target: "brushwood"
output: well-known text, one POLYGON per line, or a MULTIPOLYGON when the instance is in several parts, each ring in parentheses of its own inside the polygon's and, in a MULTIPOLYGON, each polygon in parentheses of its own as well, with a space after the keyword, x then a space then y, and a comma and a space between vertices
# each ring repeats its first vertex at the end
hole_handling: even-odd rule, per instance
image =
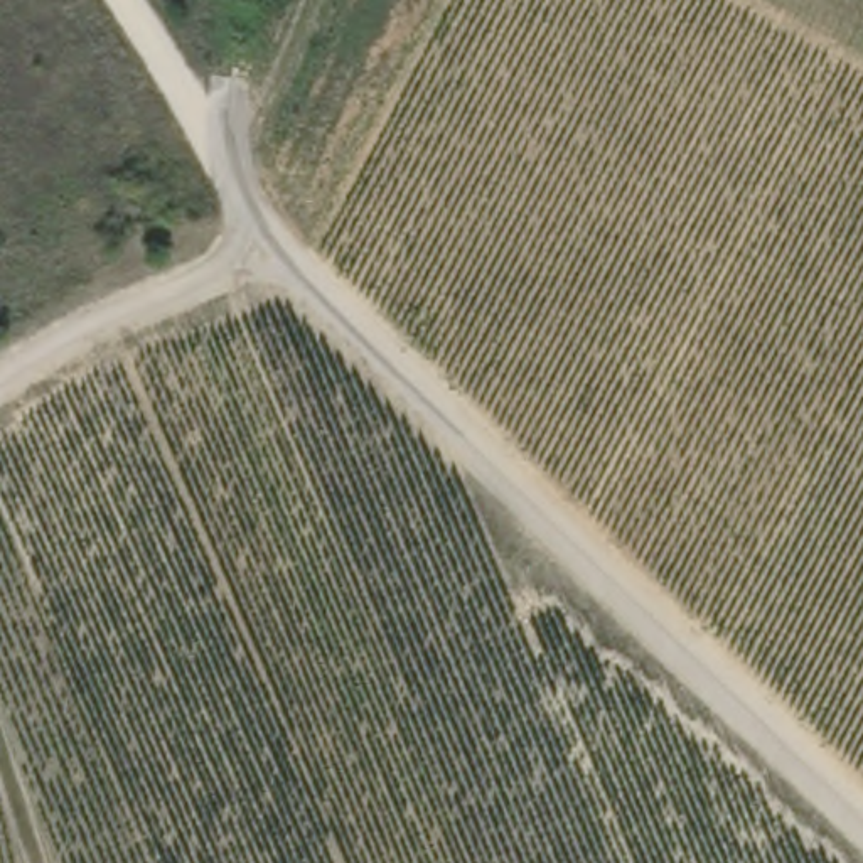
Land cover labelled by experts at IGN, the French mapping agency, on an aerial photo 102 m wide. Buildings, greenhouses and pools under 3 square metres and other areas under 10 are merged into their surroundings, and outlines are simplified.
POLYGON ((283 13, 290 0, 233 0, 216 34, 216 40, 226 51, 226 64, 233 67, 236 67, 256 54, 263 27, 273 27, 273 20, 283 13))

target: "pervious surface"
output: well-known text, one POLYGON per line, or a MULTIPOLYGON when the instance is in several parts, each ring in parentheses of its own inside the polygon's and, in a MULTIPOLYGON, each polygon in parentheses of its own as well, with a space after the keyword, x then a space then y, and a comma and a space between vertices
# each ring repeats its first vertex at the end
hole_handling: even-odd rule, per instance
POLYGON ((411 347, 411 340, 317 249, 307 249, 300 243, 300 236, 283 222, 283 216, 270 206, 266 192, 260 189, 260 165, 249 145, 249 125, 256 111, 249 108, 249 81, 239 78, 236 67, 233 67, 226 78, 212 78, 212 88, 202 88, 202 81, 179 54, 175 40, 169 37, 162 17, 148 0, 115 0, 115 20, 142 54, 172 115, 179 118, 196 158, 202 162, 206 175, 219 192, 222 226, 202 256, 165 266, 148 280, 115 290, 101 300, 81 303, 67 317, 57 317, 47 327, 0 347, 0 405, 20 394, 24 388, 51 378, 51 371, 67 364, 71 357, 91 351, 94 340, 121 337, 125 330, 138 330, 165 317, 185 314, 233 287, 276 287, 280 300, 290 300, 297 317, 303 317, 314 327, 314 334, 324 334, 327 344, 347 361, 347 367, 371 381, 378 394, 391 401, 394 411, 405 415, 411 428, 428 438, 432 448, 442 452, 445 465, 458 469, 462 482, 475 479, 489 496, 496 496, 516 516, 519 529, 529 536, 536 549, 546 549, 576 580, 576 587, 587 590, 620 624, 620 630, 637 637, 664 667, 671 667, 718 718, 732 725, 732 732, 755 745, 762 758, 863 853, 863 772, 843 752, 826 745, 806 718, 799 718, 789 698, 779 694, 752 664, 745 664, 728 647, 728 641, 715 637, 708 620, 691 617, 684 603, 654 573, 644 570, 644 563, 637 563, 624 546, 617 546, 614 533, 590 516, 583 502, 570 499, 570 492, 560 489, 543 465, 536 465, 512 442, 512 435, 502 425, 496 425, 496 418, 485 408, 479 408, 465 391, 448 388, 445 371, 432 364, 418 347, 411 347))

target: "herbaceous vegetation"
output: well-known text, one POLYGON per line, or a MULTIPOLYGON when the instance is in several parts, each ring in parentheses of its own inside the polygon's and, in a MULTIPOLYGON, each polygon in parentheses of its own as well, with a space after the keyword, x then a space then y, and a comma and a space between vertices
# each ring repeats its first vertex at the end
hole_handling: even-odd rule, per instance
POLYGON ((172 115, 142 54, 115 20, 115 0, 0 0, 0 347, 47 327, 57 317, 67 317, 81 303, 101 300, 115 290, 148 280, 165 266, 202 256, 222 226, 219 192, 206 175, 202 162, 196 158, 179 118, 172 115))
POLYGON ((236 67, 239 78, 249 81, 249 108, 256 111, 249 125, 249 145, 260 165, 260 189, 266 192, 270 206, 283 216, 283 222, 300 236, 300 243, 307 249, 317 249, 324 233, 340 216, 347 192, 354 189, 381 131, 388 128, 391 111, 415 64, 425 54, 425 44, 432 40, 442 20, 442 7, 435 0, 290 0, 283 13, 273 20, 273 27, 263 27, 256 54, 236 67))
POLYGON ((863 54, 863 0, 785 0, 806 24, 823 27, 843 47, 863 54))
POLYGON ((175 40, 179 54, 202 81, 202 88, 212 88, 212 78, 226 78, 233 67, 226 64, 226 51, 216 40, 216 34, 233 0, 148 0, 162 17, 169 37, 175 40))

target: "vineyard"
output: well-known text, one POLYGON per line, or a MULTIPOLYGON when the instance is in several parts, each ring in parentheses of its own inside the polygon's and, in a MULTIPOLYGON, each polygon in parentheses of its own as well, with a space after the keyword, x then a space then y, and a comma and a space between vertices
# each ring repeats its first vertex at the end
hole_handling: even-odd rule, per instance
POLYGON ((121 337, 94 340, 91 351, 71 357, 67 364, 51 371, 51 378, 24 388, 20 394, 0 405, 0 863, 863 863, 863 853, 762 758, 755 745, 732 732, 732 725, 718 718, 671 667, 664 667, 637 637, 620 630, 620 624, 587 590, 576 587, 576 580, 546 549, 536 549, 529 536, 519 529, 516 516, 496 496, 489 496, 475 479, 462 482, 458 469, 445 465, 442 452, 432 448, 428 438, 411 428, 405 415, 394 411, 391 401, 378 394, 371 381, 347 367, 347 361, 327 344, 324 334, 314 334, 314 327, 303 317, 297 317, 290 300, 280 300, 276 287, 233 287, 185 314, 165 317, 138 330, 125 330, 121 337))
POLYGON ((863 54, 843 47, 823 27, 806 24, 785 0, 435 0, 442 7, 442 20, 432 40, 425 44, 425 54, 415 64, 391 111, 388 128, 381 131, 354 189, 347 192, 340 216, 324 233, 317 249, 411 340, 411 347, 418 347, 432 364, 445 371, 448 388, 465 391, 479 408, 485 408, 496 418, 496 425, 502 425, 512 435, 512 442, 536 465, 543 465, 560 489, 570 492, 570 499, 583 502, 590 516, 614 533, 617 546, 624 546, 637 563, 644 563, 644 570, 654 573, 684 603, 691 617, 708 620, 715 637, 728 641, 728 647, 745 664, 752 664, 779 694, 789 698, 799 718, 806 718, 826 745, 843 752, 863 772, 863 54))

